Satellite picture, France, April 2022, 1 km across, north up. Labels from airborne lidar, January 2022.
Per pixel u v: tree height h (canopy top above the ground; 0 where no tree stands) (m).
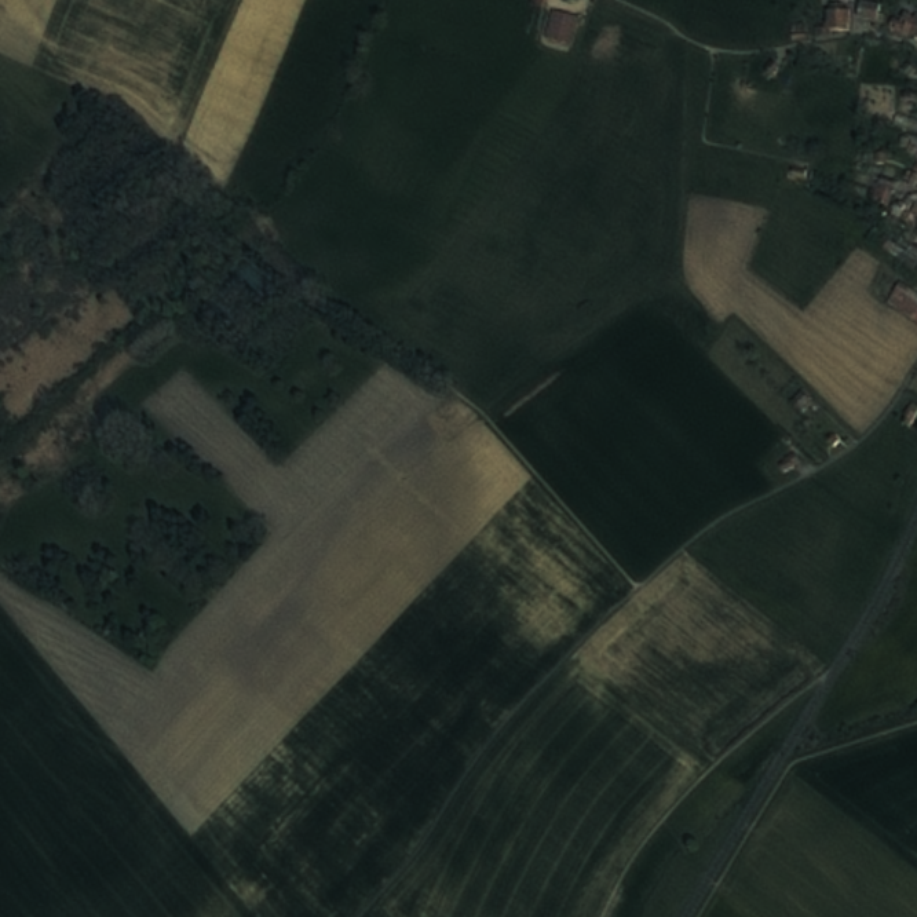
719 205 0
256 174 0
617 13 0
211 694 0
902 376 0
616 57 0
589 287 0
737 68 0
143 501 0
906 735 0
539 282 0
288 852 0
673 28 0
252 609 0
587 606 0
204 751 0
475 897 0
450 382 24
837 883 0
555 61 0
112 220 27
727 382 0
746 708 0
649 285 0
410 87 0
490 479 0
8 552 0
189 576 21
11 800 0
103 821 0
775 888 0
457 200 0
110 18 0
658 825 0
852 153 0
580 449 0
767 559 0
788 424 0
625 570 0
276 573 0
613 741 0
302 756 0
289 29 0
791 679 0
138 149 17
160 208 35
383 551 0
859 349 0
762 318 0
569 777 0
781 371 0
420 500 0
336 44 0
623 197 0
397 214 0
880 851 0
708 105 0
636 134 0
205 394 0
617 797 0
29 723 0
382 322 0
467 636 0
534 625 0
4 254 5
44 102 0
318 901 0
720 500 0
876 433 0
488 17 0
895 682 0
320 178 0
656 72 0
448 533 0
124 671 0
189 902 0
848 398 0
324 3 0
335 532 0
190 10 0
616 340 0
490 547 0
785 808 0
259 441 15
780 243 0
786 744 0
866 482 0
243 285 22
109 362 0
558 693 0
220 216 24
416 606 0
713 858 0
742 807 0
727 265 0
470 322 0
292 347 14
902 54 0
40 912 0
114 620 7
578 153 0
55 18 0
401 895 0
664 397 0
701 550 0
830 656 0
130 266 17
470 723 0
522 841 0
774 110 0
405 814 0
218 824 0
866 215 9
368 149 0
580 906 0
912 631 0
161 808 0
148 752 0
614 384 0
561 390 0
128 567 0
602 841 0
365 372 0
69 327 0
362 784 0
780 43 0
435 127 0
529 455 0
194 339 6
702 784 0
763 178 0
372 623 0
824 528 0
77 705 0
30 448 0
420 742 0
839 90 0
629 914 0
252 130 0
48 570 18
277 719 0
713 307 0
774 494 0
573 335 0
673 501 0
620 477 0
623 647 0
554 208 0
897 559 0
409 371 16
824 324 0
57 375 0
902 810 0
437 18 0
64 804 0
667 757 0
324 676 0
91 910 0
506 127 0
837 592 0
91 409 0
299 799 0
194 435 0
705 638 0
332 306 16
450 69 0
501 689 0
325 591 0
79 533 0
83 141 18
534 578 0
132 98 0
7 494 0
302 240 0
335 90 0
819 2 0
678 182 0
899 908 0
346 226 0
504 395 0
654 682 0
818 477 0
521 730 0
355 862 0
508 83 0
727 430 0
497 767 0
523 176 0
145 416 0
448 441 0
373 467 0
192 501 0
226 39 0
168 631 8
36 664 0
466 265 0
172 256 24
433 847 0
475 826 0
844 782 0
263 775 0
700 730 0
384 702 0
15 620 0
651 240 0
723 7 0
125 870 0
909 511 0
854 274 0
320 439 0
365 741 0
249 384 0
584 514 0
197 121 0
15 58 0
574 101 0
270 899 0
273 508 0
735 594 0
